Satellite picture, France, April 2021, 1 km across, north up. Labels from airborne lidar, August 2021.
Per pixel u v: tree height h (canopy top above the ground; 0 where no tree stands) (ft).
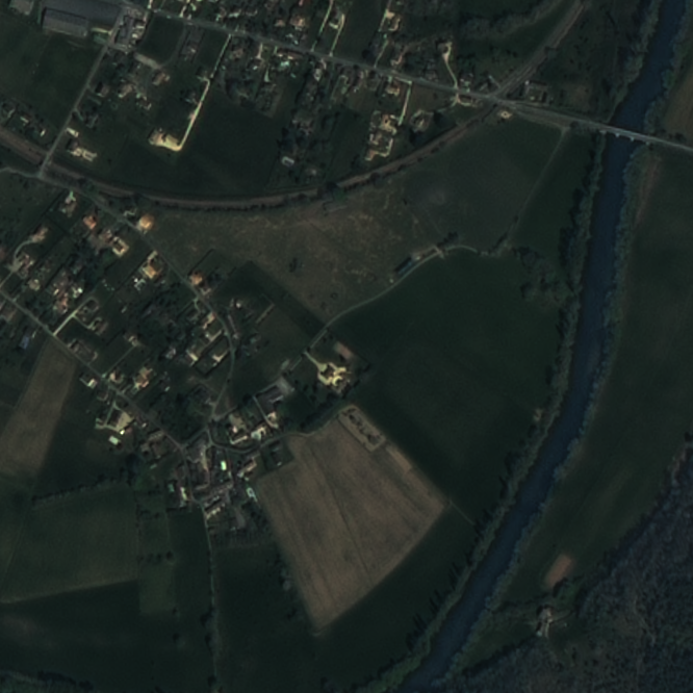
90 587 0
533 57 0
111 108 0
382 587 0
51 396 0
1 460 0
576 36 0
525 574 0
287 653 0
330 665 0
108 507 0
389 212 0
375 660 0
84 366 0
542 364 0
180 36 0
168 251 0
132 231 25
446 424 0
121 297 0
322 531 0
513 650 35
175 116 0
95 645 0
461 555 0
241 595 0
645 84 0
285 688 0
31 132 25
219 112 0
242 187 0
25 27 0
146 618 0
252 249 0
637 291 0
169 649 0
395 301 0
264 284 0
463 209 0
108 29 0
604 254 0
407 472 0
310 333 0
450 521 0
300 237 0
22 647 0
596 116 45
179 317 20
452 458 0
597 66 0
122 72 32
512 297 0
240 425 0
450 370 0
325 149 41
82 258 26
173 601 0
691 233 0
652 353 0
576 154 0
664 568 45
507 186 0
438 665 0
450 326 0
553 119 0
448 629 0
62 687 100
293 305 0
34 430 0
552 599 39
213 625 66
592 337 0
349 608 0
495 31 64
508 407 0
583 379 0
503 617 43
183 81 0
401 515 0
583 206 94
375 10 0
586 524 0
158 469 0
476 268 0
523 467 93
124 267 0
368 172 27
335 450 0
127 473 33
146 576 0
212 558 42
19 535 0
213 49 0
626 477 0
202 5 21
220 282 25
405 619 0
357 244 0
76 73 0
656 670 36
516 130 0
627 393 0
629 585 66
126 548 0
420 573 0
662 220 0
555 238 0
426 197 0
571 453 89
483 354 0
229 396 0
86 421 0
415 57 41
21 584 0
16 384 0
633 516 0
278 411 46
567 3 0
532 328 0
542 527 99
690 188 0
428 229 0
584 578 22
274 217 0
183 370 0
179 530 0
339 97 0
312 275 0
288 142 48
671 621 43
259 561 0
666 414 0
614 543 0
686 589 55
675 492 84
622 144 0
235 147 0
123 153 0
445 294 0
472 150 0
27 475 0
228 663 0
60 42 0
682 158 54
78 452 0
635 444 0
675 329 0
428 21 20
